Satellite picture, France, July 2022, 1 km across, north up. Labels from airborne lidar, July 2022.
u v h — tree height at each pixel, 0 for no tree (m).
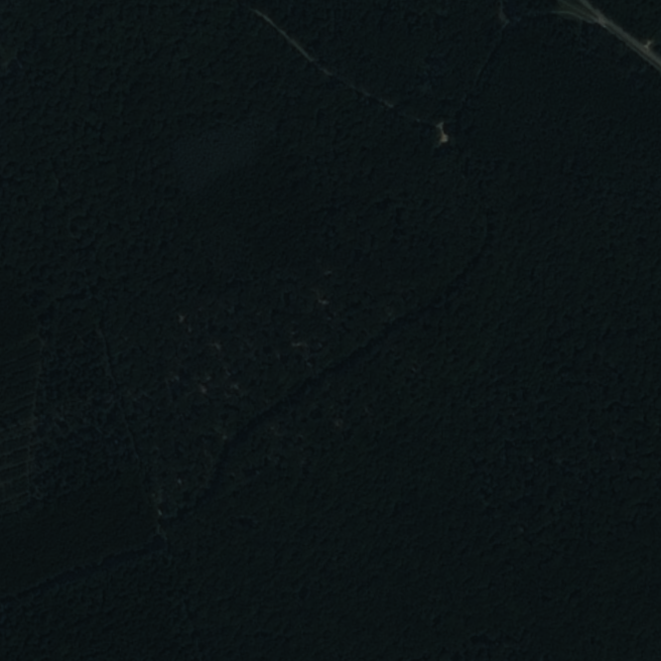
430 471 24
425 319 20
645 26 20
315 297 27
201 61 22
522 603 27
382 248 28
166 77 19
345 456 26
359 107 24
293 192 20
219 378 27
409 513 23
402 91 23
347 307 30
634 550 27
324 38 23
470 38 26
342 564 24
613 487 23
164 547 26
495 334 22
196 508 26
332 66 21
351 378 27
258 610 27
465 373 20
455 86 23
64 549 12
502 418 25
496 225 20
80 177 24
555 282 23
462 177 21
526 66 21
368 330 25
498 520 28
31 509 15
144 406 25
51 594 20
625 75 18
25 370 6
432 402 26
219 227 16
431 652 24
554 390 23
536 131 21
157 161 18
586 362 25
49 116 28
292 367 28
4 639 22
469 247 25
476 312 24
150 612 17
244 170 21
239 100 25
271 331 27
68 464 18
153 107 20
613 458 26
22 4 25
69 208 27
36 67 22
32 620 23
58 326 23
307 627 25
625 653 22
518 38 22
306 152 19
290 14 20
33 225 28
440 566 25
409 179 23
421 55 21
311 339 30
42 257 27
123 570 22
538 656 25
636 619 27
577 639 27
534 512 27
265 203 19
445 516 27
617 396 22
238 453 27
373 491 28
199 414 29
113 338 25
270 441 25
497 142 23
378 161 21
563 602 26
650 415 27
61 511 9
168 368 25
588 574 26
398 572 27
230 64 21
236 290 25
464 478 23
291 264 26
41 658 22
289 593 27
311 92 23
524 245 23
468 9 21
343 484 24
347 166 25
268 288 25
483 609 27
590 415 24
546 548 26
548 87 21
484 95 21
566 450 25
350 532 23
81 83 23
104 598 23
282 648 27
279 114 15
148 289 24
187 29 22
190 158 21
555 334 21
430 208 26
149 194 22
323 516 25
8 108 22
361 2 25
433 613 24
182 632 20
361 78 24
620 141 20
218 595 21
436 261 25
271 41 23
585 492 26
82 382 18
